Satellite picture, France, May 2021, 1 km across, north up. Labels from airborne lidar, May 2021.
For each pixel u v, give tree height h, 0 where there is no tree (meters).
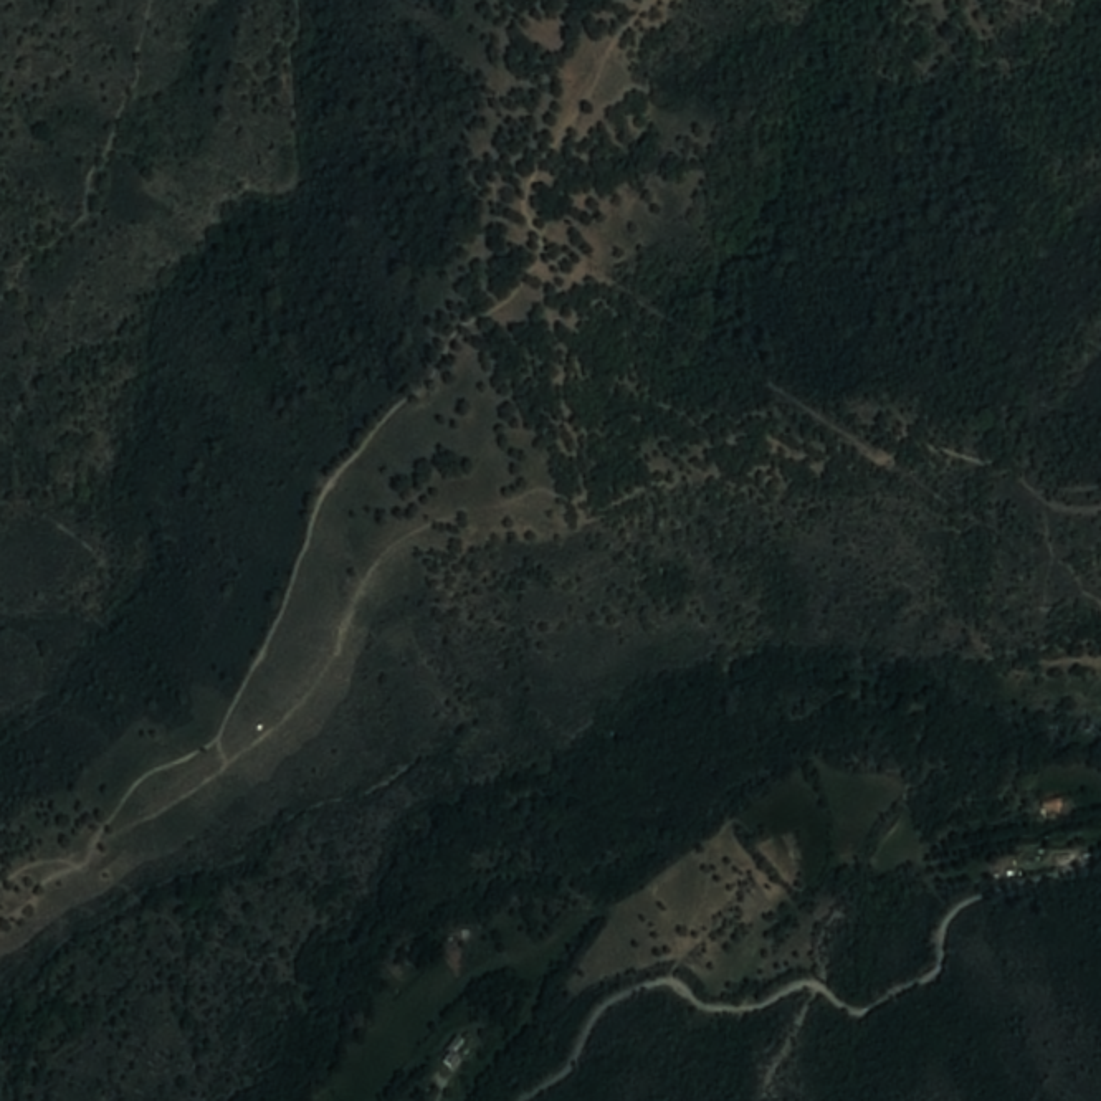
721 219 7
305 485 0
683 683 15
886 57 8
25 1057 14
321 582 0
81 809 9
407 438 0
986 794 7
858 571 6
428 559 9
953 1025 8
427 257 6
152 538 14
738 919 6
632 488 9
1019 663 13
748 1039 7
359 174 8
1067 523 7
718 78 9
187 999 9
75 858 0
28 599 0
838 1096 8
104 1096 8
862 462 10
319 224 6
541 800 15
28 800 8
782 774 10
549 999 7
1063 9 14
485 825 18
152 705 9
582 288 10
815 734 11
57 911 0
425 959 10
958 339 22
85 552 0
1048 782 0
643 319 6
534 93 11
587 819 11
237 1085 8
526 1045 12
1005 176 10
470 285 9
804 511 8
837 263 17
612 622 13
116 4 9
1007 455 12
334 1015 20
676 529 6
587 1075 5
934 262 9
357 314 6
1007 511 8
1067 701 10
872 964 7
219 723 0
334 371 12
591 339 10
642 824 8
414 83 12
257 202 12
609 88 0
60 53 7
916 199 7
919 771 9
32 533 0
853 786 0
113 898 9
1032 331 7
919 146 6
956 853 9
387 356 8
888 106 14
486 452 0
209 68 11
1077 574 7
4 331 0
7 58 7
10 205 7
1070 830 12
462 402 10
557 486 8
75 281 0
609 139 12
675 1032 10
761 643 8
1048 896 8
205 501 9
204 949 8
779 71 9
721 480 6
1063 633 7
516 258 10
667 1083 8
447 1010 9
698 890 0
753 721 9
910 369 7
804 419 9
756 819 0
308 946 9
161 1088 6
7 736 8
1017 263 8
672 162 11
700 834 8
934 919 6
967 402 8
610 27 8
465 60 7
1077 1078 9
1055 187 9
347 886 6
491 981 11
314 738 0
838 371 12
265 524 0
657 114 0
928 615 8
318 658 0
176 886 7
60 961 11
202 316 6
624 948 0
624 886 11
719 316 11
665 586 11
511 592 11
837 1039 7
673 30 11
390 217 8
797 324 8
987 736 13
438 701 0
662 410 10
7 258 9
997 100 11
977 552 11
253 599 0
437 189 10
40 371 8
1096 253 8
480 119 9
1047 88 11
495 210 7
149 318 6
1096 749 12
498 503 0
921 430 9
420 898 12
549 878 11
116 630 12
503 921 0
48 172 0
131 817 0
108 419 7
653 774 10
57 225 7
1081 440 11
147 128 8
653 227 0
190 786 0
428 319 10
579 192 9
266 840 7
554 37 0
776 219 13
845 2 11
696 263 10
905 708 14
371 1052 0
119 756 0
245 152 0
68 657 6
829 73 6
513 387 8
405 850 10
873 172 10
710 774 9
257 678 0
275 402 12
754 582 8
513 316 0
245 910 11
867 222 11
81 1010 10
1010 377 9
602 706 9
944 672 18
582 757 13
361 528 0
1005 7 9
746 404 10
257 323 10
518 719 7
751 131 11
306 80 19
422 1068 9
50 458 10
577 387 12
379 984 9
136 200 0
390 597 0
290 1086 21
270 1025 7
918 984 10
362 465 0
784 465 12
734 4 7
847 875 10
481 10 10
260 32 10
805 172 10
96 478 10
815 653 14
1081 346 8
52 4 11
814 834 0
